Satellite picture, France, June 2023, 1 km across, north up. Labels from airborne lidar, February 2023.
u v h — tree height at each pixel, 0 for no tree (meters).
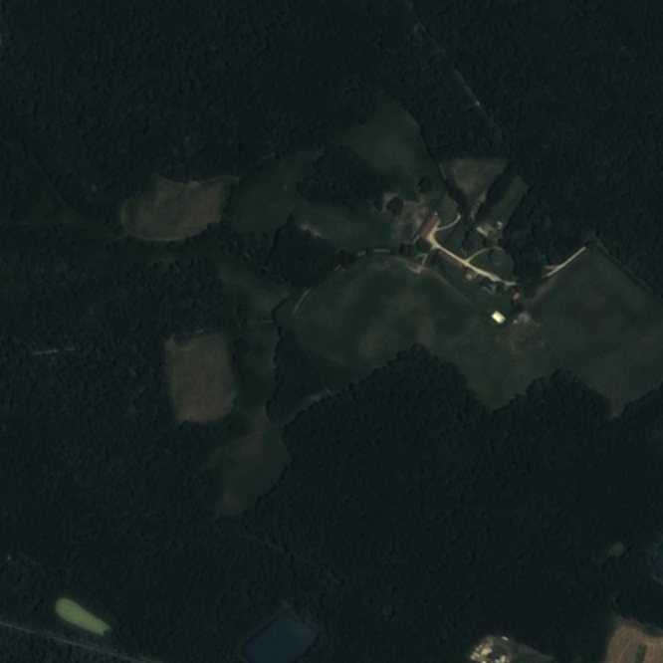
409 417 20
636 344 0
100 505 15
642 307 0
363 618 22
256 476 0
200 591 22
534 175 17
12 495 11
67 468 18
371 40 26
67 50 20
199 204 0
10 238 22
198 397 0
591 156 15
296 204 0
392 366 17
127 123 25
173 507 19
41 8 19
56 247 22
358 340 0
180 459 17
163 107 20
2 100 23
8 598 21
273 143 23
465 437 23
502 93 19
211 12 21
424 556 29
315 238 21
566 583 24
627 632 0
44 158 24
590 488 24
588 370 0
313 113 19
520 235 18
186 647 21
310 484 25
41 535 12
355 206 22
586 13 20
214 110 22
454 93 19
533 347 0
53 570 6
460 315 0
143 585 18
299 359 19
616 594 29
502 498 26
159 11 21
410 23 20
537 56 22
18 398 19
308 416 22
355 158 24
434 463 23
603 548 20
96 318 12
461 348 0
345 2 26
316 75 26
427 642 28
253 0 21
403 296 0
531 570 21
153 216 0
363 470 26
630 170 21
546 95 17
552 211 18
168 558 19
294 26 21
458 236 0
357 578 25
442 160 18
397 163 0
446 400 23
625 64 19
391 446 27
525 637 20
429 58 22
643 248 21
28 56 13
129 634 16
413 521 21
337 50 25
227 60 24
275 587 22
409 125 0
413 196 0
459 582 26
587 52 22
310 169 0
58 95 12
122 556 26
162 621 18
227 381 0
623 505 28
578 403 23
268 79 26
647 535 21
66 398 21
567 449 25
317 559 16
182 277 17
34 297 24
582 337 0
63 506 15
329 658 18
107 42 19
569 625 22
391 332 0
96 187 21
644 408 19
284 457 0
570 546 17
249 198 0
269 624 0
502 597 22
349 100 22
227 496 0
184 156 21
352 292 0
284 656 0
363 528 27
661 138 23
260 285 0
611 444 22
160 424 25
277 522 25
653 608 23
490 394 0
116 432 15
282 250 23
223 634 17
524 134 19
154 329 20
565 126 18
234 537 24
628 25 20
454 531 25
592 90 25
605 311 0
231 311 13
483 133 26
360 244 0
